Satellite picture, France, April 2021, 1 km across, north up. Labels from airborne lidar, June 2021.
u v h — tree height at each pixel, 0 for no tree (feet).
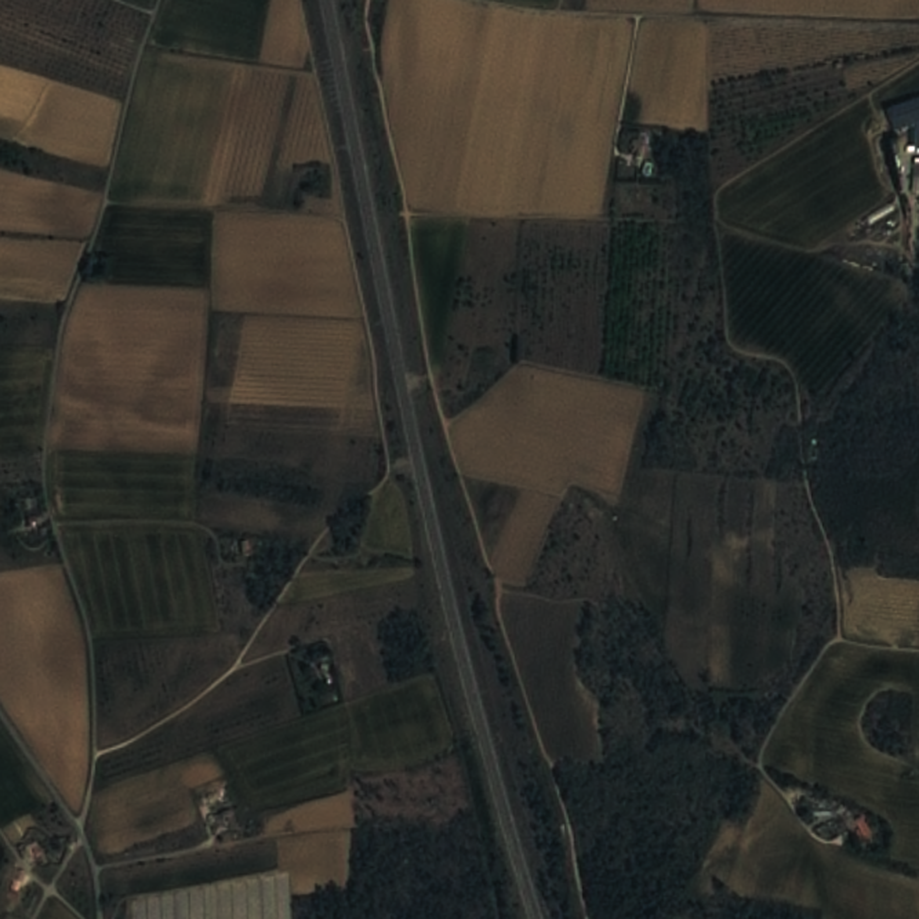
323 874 0
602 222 0
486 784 22
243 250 0
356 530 20
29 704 0
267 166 0
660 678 39
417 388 0
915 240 0
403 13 0
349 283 0
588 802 28
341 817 0
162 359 0
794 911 37
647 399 0
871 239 0
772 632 0
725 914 24
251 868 0
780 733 0
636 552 0
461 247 0
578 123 0
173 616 0
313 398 0
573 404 0
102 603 0
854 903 0
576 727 0
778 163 0
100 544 0
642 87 0
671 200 0
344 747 0
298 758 0
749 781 51
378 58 25
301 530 0
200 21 0
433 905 35
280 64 0
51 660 0
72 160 0
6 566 0
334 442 0
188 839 24
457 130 0
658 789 33
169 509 0
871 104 0
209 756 0
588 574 20
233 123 0
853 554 27
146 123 0
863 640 0
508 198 0
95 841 0
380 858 26
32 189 0
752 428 25
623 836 31
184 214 0
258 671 0
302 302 0
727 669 0
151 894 0
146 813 0
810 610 32
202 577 0
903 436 20
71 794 0
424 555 0
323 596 0
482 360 0
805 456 22
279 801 0
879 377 34
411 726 0
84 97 0
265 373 0
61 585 0
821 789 32
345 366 0
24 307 0
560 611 0
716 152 19
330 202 0
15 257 0
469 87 0
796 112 23
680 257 28
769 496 0
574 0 0
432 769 51
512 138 0
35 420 0
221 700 0
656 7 0
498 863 25
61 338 0
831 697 0
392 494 0
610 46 0
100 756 0
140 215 0
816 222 0
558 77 0
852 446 21
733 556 0
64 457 0
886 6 0
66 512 0
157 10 0
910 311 26
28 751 0
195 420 0
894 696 24
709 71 0
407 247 0
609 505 0
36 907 0
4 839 0
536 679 0
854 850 33
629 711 22
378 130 0
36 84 0
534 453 0
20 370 0
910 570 29
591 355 0
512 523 0
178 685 0
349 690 0
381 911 39
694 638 0
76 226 0
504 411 0
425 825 49
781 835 0
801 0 0
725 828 0
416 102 0
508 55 0
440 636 0
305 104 0
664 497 0
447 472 0
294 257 0
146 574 0
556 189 0
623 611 40
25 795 0
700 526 0
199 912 0
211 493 0
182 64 0
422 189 0
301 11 0
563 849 24
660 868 51
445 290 0
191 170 0
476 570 0
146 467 0
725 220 0
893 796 0
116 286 0
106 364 0
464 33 0
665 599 0
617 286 29
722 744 0
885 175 0
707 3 0
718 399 27
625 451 0
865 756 0
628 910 30
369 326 0
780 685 18
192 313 0
